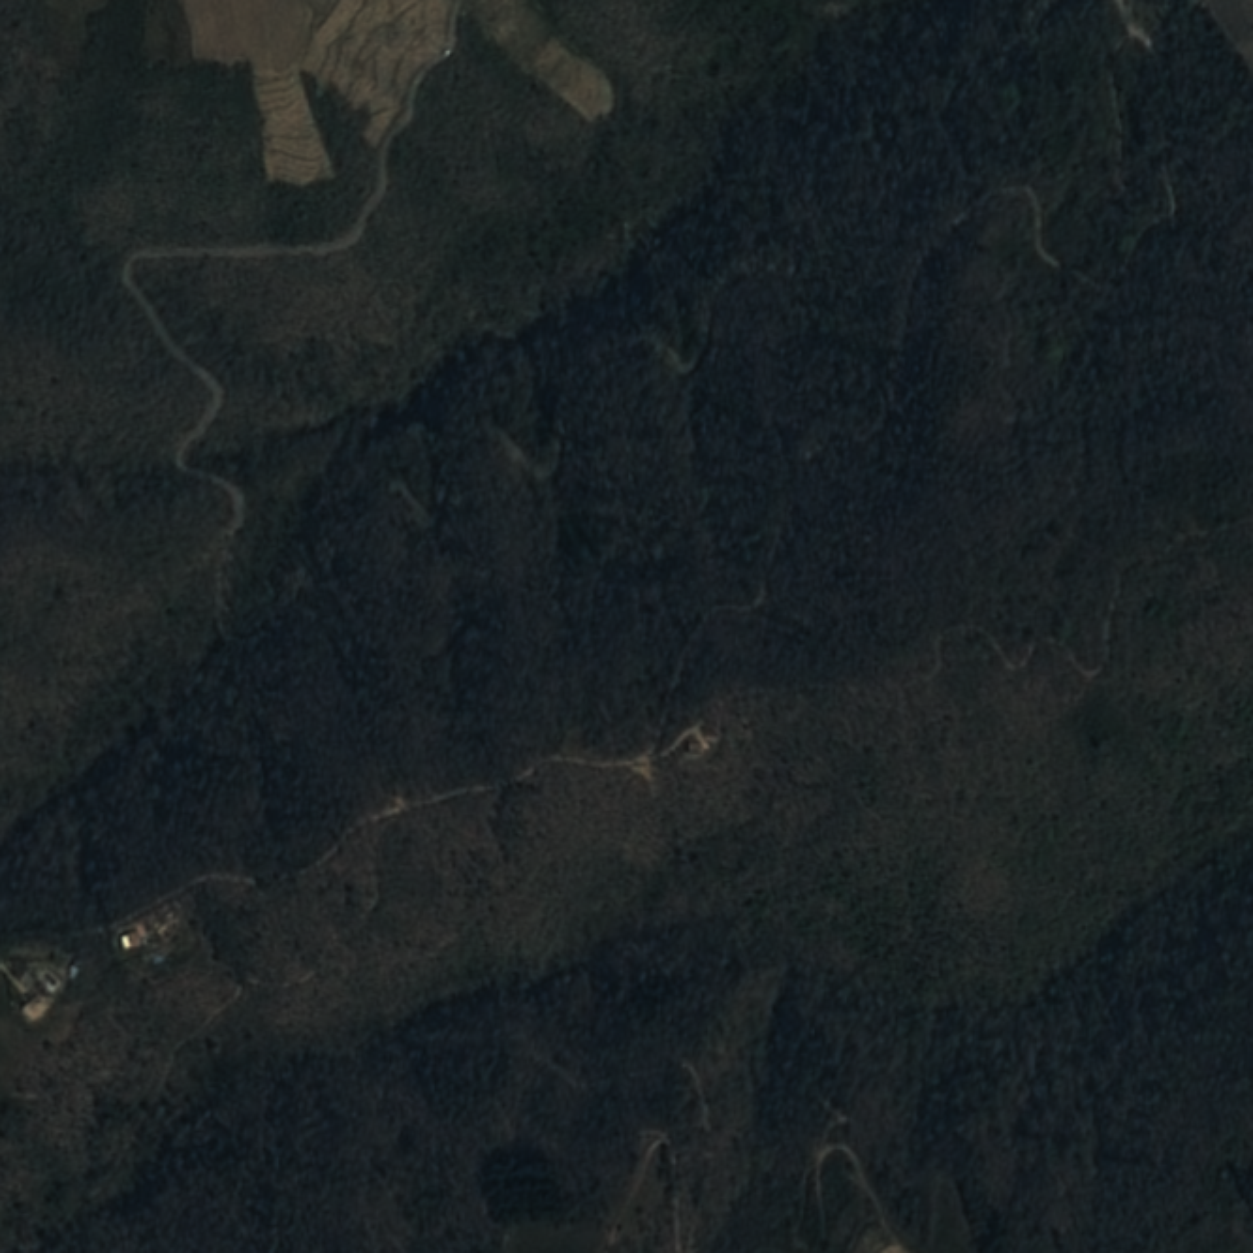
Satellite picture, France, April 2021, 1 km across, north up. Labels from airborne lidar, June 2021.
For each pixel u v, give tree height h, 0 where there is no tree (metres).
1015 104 20
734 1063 9
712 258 16
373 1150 14
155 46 0
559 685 14
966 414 10
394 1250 12
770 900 8
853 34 22
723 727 7
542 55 0
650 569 16
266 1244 15
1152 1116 14
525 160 11
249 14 0
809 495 14
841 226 16
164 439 8
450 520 15
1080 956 15
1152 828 8
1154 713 8
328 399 12
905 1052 12
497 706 17
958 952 6
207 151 9
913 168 16
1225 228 12
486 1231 12
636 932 26
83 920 17
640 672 10
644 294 8
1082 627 10
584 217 12
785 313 14
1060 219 16
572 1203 9
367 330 10
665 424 14
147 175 7
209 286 10
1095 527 11
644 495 16
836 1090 11
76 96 8
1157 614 7
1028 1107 16
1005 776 13
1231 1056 11
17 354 10
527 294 17
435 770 10
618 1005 14
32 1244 22
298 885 10
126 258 7
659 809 7
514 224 12
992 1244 24
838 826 11
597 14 8
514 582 14
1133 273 10
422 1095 6
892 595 18
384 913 10
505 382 13
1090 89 16
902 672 13
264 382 8
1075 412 6
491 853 11
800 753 13
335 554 20
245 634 20
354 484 22
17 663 7
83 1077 12
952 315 10
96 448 6
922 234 17
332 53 0
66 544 12
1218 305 7
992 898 5
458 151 6
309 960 11
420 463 17
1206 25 13
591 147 8
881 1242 0
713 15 13
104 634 10
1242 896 10
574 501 17
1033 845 16
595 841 9
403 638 12
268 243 9
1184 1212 8
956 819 7
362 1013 12
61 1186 10
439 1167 10
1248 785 11
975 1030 8
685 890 19
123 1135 20
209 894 7
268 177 13
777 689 11
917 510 16
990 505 13
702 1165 8
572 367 13
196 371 12
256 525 22
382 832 9
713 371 6
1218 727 6
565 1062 16
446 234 7
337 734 14
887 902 9
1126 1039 15
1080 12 13
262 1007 11
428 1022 5
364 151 11
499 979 23
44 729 10
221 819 12
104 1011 11
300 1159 19
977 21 19
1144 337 8
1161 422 7
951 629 11
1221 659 7
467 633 15
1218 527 6
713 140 26
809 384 12
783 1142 13
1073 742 6
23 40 10
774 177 14
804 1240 0
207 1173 17
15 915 13
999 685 10
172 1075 12
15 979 7
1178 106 16
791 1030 9
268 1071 27
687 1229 6
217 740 11
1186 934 19
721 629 11
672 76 10
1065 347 19
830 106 19
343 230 7
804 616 15
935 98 21
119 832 10
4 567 8
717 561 17
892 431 14
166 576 12
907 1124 7
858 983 24
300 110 0
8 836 25
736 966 6
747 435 9
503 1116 11
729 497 12
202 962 6
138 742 17
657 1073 11
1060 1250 9
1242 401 7
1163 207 17
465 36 9
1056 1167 10
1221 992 16
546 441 15
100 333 6
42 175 8
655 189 11
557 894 7
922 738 13
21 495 9
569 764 10
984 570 12
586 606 17
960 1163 14
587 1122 14
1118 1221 18
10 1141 14
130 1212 14
